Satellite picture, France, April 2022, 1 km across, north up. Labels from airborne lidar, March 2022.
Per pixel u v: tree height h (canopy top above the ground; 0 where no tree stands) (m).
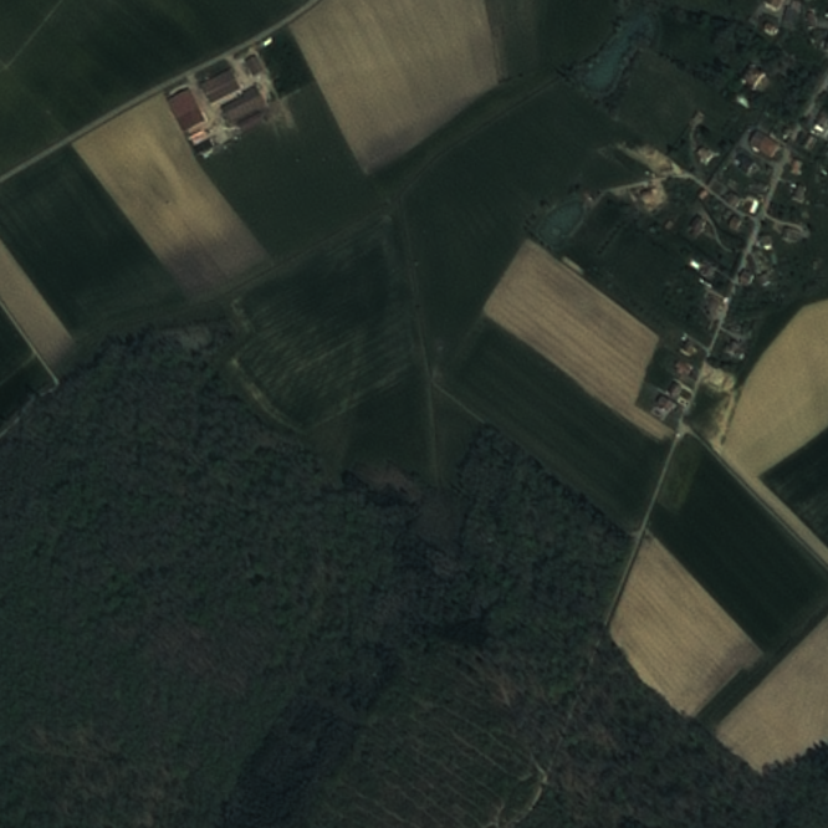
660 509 0
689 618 0
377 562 21
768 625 0
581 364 0
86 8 0
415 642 21
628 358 0
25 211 0
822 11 0
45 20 0
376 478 0
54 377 0
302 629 25
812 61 0
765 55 16
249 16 0
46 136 0
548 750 29
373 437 0
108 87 0
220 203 0
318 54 0
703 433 0
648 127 0
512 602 23
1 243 0
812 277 0
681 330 0
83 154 0
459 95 0
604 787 31
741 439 0
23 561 23
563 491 28
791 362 0
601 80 0
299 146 0
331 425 0
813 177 0
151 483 26
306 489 28
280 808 25
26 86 0
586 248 0
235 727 28
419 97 0
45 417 23
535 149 0
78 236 0
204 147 0
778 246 0
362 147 0
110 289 0
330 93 0
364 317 0
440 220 0
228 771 23
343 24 0
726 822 27
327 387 0
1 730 25
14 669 23
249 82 0
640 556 0
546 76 0
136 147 0
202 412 31
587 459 0
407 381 0
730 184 0
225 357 0
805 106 12
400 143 0
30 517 27
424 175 0
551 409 0
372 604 26
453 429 0
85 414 24
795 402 0
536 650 25
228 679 28
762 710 0
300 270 0
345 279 0
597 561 26
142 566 31
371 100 0
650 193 6
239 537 25
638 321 0
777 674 0
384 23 0
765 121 0
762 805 28
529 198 0
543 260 0
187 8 0
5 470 15
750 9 0
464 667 11
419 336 0
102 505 27
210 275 0
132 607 23
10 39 0
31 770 25
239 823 22
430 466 0
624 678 23
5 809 22
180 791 23
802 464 0
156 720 26
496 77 0
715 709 0
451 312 0
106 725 29
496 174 0
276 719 24
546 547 28
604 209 0
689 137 0
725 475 0
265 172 0
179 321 0
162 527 28
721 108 0
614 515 0
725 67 16
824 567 0
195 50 0
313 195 0
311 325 0
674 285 0
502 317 0
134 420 32
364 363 0
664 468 0
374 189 0
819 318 0
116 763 18
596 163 0
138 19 0
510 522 18
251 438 32
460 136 0
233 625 26
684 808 33
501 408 0
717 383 0
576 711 27
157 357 26
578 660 27
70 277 0
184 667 30
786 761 0
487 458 17
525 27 0
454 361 0
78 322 0
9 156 0
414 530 14
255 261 0
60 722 24
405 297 0
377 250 0
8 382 0
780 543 0
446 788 6
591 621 25
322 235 0
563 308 0
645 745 33
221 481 30
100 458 23
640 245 0
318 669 22
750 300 15
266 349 0
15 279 0
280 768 22
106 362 15
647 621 0
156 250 0
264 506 31
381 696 18
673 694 0
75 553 25
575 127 0
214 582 26
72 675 25
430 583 24
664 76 0
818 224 0
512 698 0
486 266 0
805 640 0
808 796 26
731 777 29
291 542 23
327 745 24
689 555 0
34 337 0
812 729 0
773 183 0
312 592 27
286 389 0
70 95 0
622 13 12
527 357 0
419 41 0
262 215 0
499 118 0
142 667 24
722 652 0
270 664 27
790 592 0
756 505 0
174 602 29
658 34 0
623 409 0
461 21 0
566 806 10
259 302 0
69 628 26
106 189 0
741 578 0
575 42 0
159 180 0
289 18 0
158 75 0
